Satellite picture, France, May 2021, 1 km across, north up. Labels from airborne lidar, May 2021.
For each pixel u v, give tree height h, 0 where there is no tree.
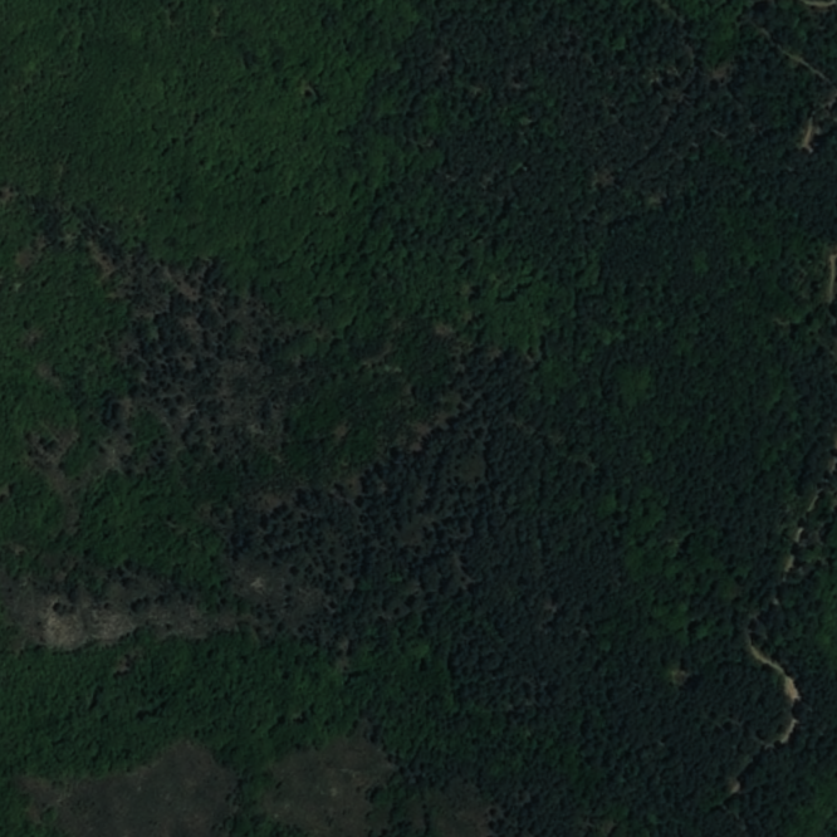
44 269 12
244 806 7
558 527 36
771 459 27
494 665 33
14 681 15
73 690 14
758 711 31
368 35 22
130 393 6
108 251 17
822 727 34
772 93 32
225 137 20
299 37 23
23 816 19
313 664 25
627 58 40
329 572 18
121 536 24
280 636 11
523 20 33
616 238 26
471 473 0
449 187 28
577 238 35
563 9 30
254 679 19
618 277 31
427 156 25
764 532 32
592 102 27
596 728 37
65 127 21
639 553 31
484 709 24
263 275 21
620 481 34
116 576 12
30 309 16
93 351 19
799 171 38
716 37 25
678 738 36
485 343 25
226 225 24
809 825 30
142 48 23
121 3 19
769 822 40
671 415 36
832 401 31
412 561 10
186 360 16
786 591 38
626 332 34
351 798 0
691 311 40
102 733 28
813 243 25
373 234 25
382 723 19
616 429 35
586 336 33
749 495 34
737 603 15
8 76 7
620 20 35
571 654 34
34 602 0
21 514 20
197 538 10
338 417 9
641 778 29
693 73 32
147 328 20
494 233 34
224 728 26
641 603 34
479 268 37
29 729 9
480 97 14
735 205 25
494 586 33
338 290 22
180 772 0
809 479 41
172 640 14
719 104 34
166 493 14
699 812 34
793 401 23
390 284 28
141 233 12
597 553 38
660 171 27
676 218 23
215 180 29
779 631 39
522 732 18
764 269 34
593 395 35
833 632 29
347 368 14
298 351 20
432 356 10
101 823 0
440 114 22
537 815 31
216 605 12
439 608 28
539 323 28
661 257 28
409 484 35
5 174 10
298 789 0
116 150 26
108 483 17
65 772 13
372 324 16
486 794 14
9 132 10
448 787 19
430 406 12
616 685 35
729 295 32
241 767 19
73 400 23
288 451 10
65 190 10
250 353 12
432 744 20
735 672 42
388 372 7
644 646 31
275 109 23
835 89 27
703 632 34
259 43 24
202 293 13
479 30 31
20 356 15
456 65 31
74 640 0
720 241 33
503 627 36
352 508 34
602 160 36
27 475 17
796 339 23
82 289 17
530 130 33
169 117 24
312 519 11
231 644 21
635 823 21
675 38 33
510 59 30
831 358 36
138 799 0
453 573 31
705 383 40
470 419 25
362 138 25
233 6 16
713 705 37
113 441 12
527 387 30
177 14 16
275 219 27
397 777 11
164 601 21
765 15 40
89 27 18
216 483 11
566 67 30
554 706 29
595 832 21
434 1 20
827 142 39
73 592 17
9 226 17
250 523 10
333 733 21
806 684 31
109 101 27
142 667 16
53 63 16
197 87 19
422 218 28
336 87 27
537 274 30
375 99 33
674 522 38
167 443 11
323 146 19
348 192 31
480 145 29
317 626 6
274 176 24
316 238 28
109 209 16
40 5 15
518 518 35
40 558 10
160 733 26
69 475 12
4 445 13
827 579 24
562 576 36
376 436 8
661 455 32
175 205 27
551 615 29
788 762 40
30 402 22
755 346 37
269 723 27
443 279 34
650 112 32
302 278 21
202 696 16
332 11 27
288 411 8
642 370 33
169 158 28
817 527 11
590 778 25
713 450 28
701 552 31
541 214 34
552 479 24
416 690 16
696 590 18
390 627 32
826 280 17
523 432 35
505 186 33
